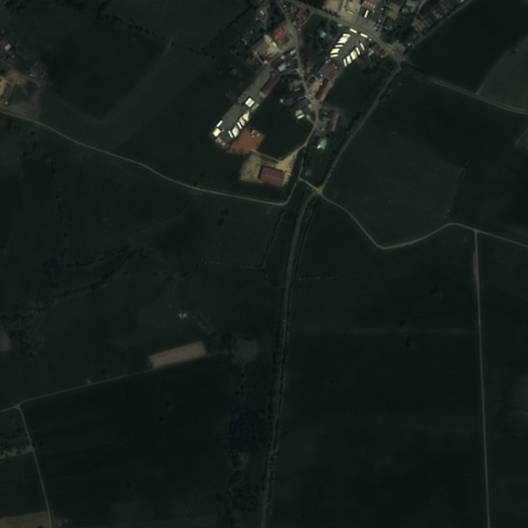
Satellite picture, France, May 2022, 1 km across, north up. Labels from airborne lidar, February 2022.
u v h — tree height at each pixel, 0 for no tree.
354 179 0
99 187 0
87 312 0
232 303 0
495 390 0
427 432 0
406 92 0
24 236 0
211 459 0
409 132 0
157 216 0
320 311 0
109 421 0
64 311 0
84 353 0
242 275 0
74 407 0
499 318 0
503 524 0
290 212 0
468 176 0
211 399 0
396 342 0
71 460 0
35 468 0
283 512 0
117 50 0
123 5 0
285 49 0
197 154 0
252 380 0
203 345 0
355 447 0
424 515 0
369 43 0
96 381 0
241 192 0
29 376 0
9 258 0
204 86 0
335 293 0
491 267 0
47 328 0
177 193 0
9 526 0
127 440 0
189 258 0
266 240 0
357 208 0
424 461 0
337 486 0
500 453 0
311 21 0
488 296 0
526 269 0
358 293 0
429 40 0
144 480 0
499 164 0
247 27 0
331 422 0
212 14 0
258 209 0
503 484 0
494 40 0
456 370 0
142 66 0
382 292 0
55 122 0
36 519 0
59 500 0
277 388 10
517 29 0
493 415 0
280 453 10
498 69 0
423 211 0
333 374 0
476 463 0
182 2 0
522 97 0
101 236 0
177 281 0
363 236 0
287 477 0
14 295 0
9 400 0
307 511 0
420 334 0
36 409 0
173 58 0
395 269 0
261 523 0
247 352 0
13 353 0
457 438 0
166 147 0
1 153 0
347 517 0
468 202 0
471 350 0
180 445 0
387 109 0
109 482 0
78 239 0
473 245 0
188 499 0
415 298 0
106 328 0
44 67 0
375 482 0
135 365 0
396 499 0
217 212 0
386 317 0
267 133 0
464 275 0
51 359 0
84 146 0
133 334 0
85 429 0
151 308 0
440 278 0
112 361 0
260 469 0
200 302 0
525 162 0
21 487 0
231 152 0
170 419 0
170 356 0
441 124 0
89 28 0
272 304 0
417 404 0
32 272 0
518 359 0
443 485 0
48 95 0
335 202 0
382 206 0
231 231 0
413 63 0
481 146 0
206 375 0
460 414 0
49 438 0
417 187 0
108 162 0
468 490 0
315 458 0
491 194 0
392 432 0
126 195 0
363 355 0
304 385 0
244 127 0
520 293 0
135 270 0
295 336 0
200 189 0
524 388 0
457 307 0
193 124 0
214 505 0
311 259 0
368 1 0
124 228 0
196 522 0
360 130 0
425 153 0
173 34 0
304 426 0
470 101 0
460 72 0
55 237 0
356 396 0
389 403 0
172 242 0
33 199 0
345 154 0
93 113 0
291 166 0
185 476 0
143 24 0
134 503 0
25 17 0
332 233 0
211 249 0
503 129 0
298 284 0
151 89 0
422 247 0
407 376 0
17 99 0
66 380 0
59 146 0
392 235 0
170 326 0
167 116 0
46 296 0
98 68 0
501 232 0
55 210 0
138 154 0
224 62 0
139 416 0
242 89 0
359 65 0
